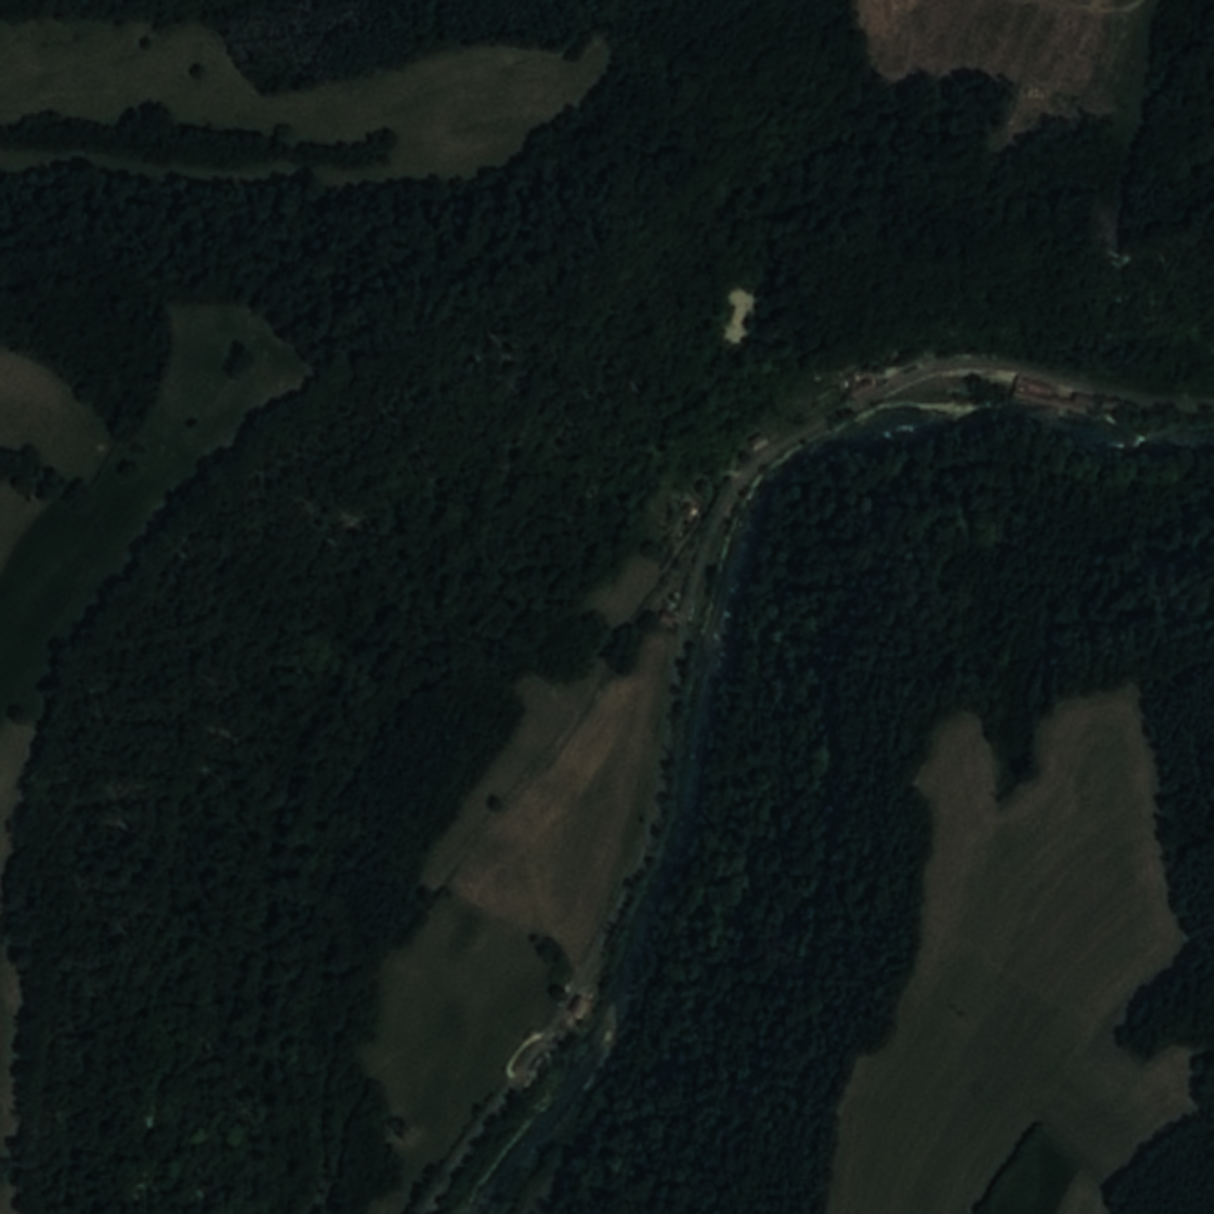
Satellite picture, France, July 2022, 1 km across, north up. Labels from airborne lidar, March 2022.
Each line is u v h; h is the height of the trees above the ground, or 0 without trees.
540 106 0
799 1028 23
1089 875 0
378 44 26
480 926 0
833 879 23
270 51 21
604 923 0
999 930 0
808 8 18
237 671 25
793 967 28
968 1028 0
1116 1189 12
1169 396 0
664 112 30
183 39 0
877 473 29
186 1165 26
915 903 13
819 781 22
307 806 35
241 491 29
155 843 20
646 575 0
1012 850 0
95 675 28
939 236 24
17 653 0
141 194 23
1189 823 12
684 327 17
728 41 24
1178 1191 19
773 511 27
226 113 0
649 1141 23
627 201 26
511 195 31
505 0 27
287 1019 34
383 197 19
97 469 0
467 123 0
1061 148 21
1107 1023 0
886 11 23
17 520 0
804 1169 13
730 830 17
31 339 6
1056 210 26
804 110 26
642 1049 18
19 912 27
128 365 15
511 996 0
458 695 20
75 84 0
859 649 29
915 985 0
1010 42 33
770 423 0
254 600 26
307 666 34
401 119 0
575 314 19
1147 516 10
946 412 0
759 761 12
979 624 12
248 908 21
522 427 12
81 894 33
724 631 0
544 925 0
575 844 0
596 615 8
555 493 22
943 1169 0
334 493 15
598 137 30
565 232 30
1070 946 0
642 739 0
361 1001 17
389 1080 0
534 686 0
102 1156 23
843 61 23
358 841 16
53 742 26
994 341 16
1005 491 29
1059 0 32
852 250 24
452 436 17
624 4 9
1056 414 0
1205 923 25
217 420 0
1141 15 0
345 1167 19
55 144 11
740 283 7
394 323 27
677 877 22
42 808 28
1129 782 0
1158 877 0
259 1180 24
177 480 0
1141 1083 0
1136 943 0
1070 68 28
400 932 18
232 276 27
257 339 0
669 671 0
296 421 29
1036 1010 0
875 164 28
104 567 0
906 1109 0
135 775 26
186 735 31
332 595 10
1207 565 31
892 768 18
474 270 23
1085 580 14
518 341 29
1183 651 15
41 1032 37
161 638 25
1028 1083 0
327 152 12
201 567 25
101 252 20
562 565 25
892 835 17
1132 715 0
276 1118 27
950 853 0
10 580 0
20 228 19
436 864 0
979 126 21
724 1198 28
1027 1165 0
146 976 23
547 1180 0
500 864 0
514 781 0
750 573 15
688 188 28
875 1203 0
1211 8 19
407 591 25
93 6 29
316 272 28
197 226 24
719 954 26
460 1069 0
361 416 23
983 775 0
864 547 33
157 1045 20
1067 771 0
